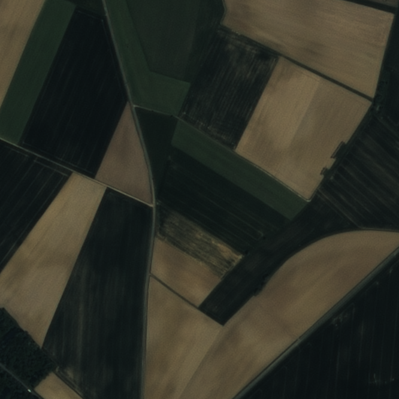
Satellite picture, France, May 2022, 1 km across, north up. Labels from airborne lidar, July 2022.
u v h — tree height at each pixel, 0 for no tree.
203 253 0
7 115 0
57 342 0
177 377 0
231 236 0
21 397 25
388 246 0
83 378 0
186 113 0
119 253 0
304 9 0
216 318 0
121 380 0
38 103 0
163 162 0
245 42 0
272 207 0
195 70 0
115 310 0
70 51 0
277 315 0
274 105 0
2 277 0
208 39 0
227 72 0
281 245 0
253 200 0
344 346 0
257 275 0
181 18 0
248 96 0
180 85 0
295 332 0
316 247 0
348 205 0
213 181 0
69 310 0
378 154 0
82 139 0
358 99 0
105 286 0
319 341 0
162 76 0
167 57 0
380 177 0
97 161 0
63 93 0
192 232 0
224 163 0
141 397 0
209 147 0
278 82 0
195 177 0
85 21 0
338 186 0
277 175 0
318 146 0
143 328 0
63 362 0
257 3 0
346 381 0
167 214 0
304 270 0
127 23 0
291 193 0
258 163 0
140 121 0
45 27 0
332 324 0
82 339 0
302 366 0
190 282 0
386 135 0
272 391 0
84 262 0
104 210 0
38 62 0
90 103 0
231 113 0
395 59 0
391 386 0
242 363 0
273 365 0
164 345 0
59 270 0
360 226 0
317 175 0
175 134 0
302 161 0
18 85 0
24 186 0
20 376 9
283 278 0
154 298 0
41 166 0
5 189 0
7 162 0
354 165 0
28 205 0
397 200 0
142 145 0
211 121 0
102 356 0
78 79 0
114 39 0
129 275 0
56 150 0
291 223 0
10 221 0
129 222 0
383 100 12
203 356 0
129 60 0
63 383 0
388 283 0
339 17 0
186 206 0
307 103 0
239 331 0
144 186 0
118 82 0
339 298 0
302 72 0
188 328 0
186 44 0
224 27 0
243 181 0
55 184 0
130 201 0
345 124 0
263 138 0
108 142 0
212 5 0
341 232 0
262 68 0
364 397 0
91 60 0
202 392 0
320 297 0
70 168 0
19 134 0
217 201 0
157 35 0
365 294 0
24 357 22
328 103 0
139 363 0
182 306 0
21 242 0
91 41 0
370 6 0
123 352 0
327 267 0
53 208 0
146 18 0
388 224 0
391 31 0
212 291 0
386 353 0
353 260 0
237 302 0
